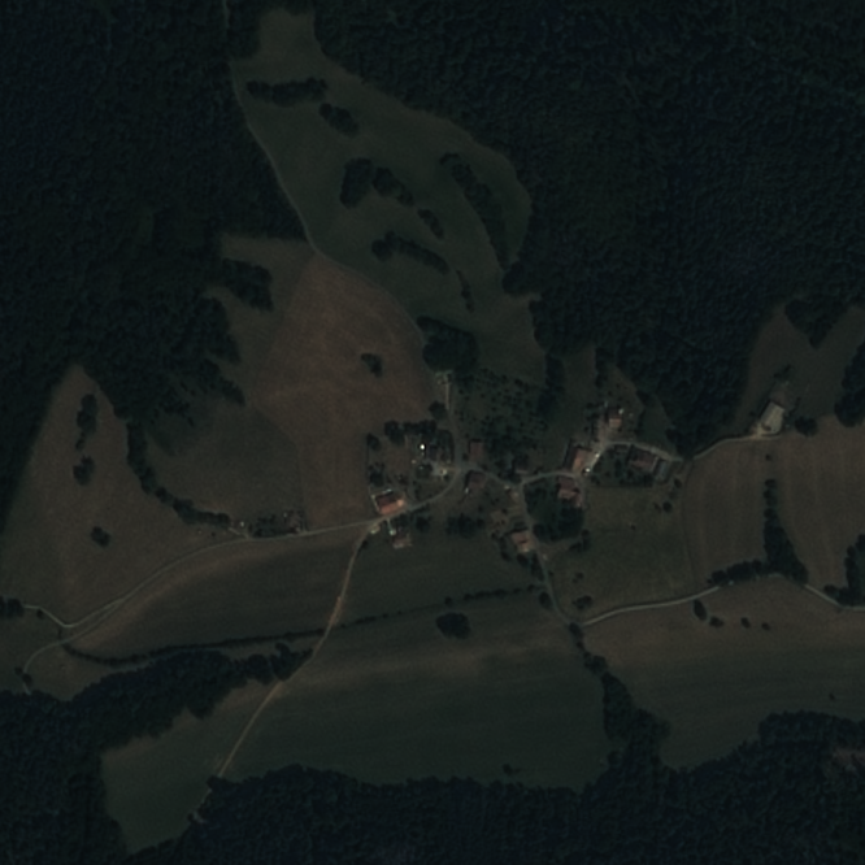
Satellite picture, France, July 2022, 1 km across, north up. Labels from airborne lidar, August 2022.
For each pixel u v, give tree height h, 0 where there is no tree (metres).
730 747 0
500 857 21
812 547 0
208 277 12
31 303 33
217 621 0
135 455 15
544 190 15
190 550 0
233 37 23
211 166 22
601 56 31
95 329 25
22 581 0
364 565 0
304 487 0
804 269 26
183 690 19
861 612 0
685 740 0
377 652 0
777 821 23
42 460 0
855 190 37
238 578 0
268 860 34
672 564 0
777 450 0
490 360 0
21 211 29
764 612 0
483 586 0
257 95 17
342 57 22
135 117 20
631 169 32
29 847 26
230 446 0
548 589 0
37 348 23
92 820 23
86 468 15
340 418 0
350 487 0
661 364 33
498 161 0
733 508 0
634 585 0
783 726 19
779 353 0
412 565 0
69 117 28
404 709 0
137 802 0
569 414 0
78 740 26
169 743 0
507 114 22
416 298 0
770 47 20
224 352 20
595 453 0
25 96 22
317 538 0
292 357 0
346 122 22
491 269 0
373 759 0
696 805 32
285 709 0
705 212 21
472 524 12
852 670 0
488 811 18
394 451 0
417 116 0
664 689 0
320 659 0
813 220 27
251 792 24
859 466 0
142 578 0
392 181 16
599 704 0
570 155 18
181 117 21
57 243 29
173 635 0
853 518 0
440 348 23
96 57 29
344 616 0
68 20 25
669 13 6
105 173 29
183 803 0
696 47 30
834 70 8
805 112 19
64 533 0
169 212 25
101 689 9
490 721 0
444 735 0
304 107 0
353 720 0
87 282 16
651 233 20
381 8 29
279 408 0
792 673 0
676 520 0
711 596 0
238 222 17
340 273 0
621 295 22
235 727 0
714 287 29
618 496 0
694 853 28
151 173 24
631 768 21
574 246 23
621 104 27
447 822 18
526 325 0
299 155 0
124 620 0
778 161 26
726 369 29
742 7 16
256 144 12
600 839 36
